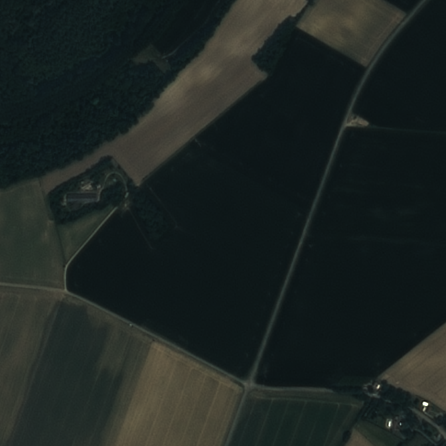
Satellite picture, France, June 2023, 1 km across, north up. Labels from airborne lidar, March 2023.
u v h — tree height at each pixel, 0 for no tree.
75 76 28
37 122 30
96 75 35
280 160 0
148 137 0
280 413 0
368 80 0
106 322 0
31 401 0
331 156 0
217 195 0
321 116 0
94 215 0
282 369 0
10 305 0
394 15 0
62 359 0
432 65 0
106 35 18
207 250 0
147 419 0
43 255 0
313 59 0
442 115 0
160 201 0
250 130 0
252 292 0
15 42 28
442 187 0
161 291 0
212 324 0
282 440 0
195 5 0
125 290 0
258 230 0
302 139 0
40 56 12
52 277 0
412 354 0
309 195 0
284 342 0
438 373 0
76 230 0
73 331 0
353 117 0
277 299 0
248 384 0
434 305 0
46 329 0
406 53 0
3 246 0
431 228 0
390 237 0
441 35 0
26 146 29
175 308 0
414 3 0
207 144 0
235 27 0
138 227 0
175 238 0
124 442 0
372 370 0
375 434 0
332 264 0
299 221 0
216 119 0
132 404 0
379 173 0
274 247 0
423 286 0
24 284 0
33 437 0
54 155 22
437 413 0
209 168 0
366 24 0
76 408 0
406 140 0
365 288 0
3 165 25
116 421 0
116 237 0
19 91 33
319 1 0
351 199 0
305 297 0
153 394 0
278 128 0
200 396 0
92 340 0
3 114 36
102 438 0
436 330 0
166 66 0
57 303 0
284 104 0
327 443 0
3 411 0
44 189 0
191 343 0
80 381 0
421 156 0
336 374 0
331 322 0
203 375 0
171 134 0
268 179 0
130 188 12
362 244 0
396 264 0
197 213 0
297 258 0
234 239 0
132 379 0
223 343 0
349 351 0
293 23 10
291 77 0
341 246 0
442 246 0
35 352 0
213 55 0
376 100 0
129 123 19
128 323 0
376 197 0
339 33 0
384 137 0
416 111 0
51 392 0
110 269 0
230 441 0
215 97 0
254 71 0
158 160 0
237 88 0
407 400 9
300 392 0
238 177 0
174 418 0
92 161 0
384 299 0
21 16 9
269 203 0
